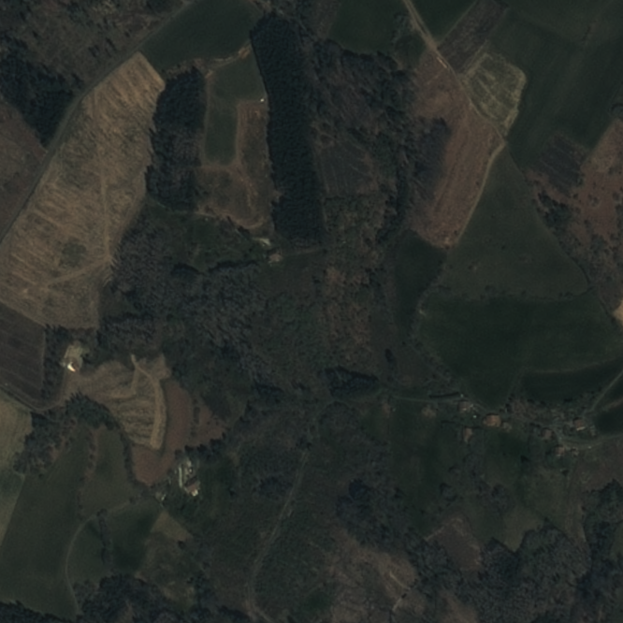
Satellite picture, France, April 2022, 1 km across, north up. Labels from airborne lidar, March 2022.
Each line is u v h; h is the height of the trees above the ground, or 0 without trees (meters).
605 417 0
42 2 16
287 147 31
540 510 0
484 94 0
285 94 31
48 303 0
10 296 0
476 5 0
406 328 0
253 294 25
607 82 0
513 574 28
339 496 0
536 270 0
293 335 14
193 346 16
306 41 22
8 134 0
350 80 30
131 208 0
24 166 0
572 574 31
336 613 0
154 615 13
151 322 26
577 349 0
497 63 0
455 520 0
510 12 0
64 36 0
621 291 0
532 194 0
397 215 12
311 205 24
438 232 0
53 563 0
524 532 0
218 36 0
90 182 0
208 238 0
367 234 10
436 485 0
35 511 0
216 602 27
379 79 31
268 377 33
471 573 0
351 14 0
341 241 10
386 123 9
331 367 8
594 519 14
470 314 0
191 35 0
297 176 28
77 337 11
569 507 0
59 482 0
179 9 0
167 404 0
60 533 0
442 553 25
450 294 16
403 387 7
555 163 0
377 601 0
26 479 0
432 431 0
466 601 25
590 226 14
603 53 0
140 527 0
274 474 6
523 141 0
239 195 22
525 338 0
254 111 21
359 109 30
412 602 0
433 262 0
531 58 0
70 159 0
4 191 0
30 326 0
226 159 0
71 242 0
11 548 0
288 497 25
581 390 0
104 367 0
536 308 0
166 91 0
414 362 0
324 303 21
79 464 0
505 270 0
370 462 9
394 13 0
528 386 0
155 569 0
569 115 0
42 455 10
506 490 12
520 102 0
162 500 0
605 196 0
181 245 0
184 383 20
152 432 0
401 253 0
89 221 0
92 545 0
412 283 0
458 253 0
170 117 24
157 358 0
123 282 27
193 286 22
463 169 0
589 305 0
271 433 15
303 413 11
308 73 22
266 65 22
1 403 0
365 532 31
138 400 0
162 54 0
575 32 0
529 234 0
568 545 29
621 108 14
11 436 0
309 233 23
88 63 0
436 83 0
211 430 0
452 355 0
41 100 16
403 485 0
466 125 0
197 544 18
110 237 0
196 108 27
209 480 0
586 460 0
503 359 0
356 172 0
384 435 0
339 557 0
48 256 0
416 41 0
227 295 24
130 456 17
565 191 0
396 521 20
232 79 0
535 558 24
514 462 0
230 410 0
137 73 0
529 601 30
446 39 0
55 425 7
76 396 0
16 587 0
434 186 29
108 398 0
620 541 0
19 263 0
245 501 22
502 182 0
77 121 0
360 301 7
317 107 22
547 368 0
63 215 0
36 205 0
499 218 0
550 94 0
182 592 0
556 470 0
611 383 0
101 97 0
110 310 0
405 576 0
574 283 0
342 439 6
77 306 0
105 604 12
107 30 0
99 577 0
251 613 0
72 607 0
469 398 7
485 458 12
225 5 0
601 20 0
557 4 0
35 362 0
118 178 0
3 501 0
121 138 0
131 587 15
